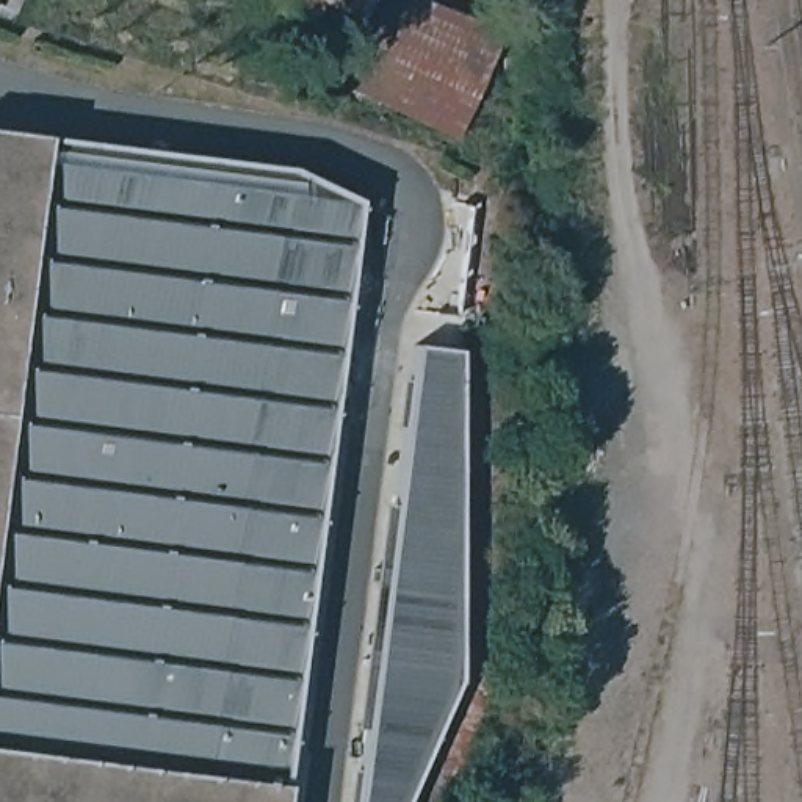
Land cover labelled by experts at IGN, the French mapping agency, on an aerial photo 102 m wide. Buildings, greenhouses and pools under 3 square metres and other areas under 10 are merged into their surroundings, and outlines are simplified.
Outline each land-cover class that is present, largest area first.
<instances>
[{"label":"building","instance_id":"1","mask_svg":"<svg viewBox=\"0 0 802 802\"><path fill-rule=\"evenodd\" d=\"M508 50L501 44H482V28L470 13L432 3L429 19L401 28L395 44H379L382 63L363 85H357L354 94L360 100L398 110L410 119L426 122L429 128H442L454 144L464 138L467 128L498 66V53ZM370 201L304 166L0 128V802H298L304 717L320 627L326 548L332 529V498L348 404V376L354 357V329L360 310ZM388 451H398V464L382 470L354 708L348 727L351 736L363 739V749L354 758V802H417L448 736V727L457 714V705L470 686V354L467 348L423 345L401 329L398 376L385 442Z\"/></svg>","mask_w":802,"mask_h":802},{"label":"pervious surface","instance_id":"2","mask_svg":"<svg viewBox=\"0 0 802 802\"><path fill-rule=\"evenodd\" d=\"M602 138L611 216L605 229L598 219L573 213L564 216L555 238L548 241L570 257V266L583 282V301L592 304L589 323L598 332L551 348L555 367L573 376L580 385V435L583 445L595 454L589 457V479L564 489L555 498L561 523L576 539V558L567 561V586L573 605L586 617L580 680L586 686L589 714L576 727V758H529V777L545 793V802H802V0H605Z\"/></svg>","mask_w":802,"mask_h":802},{"label":"deciduous trees","instance_id":"3","mask_svg":"<svg viewBox=\"0 0 802 802\"><path fill-rule=\"evenodd\" d=\"M191 19L210 28L219 41L207 47V56L213 60L238 66L235 88L241 91L276 97L285 103L301 100L304 107L332 113L341 122H354L435 150L442 154L448 169H464L470 179L476 172L489 175L479 194H486V201L501 197L504 210H498V229L492 235V276L498 288L495 298H486L492 329L482 335V348L492 401V432L486 445V461L492 470V539L486 617L489 655L482 664L476 702L486 705V714L473 733L461 774L448 780L445 793H432V802H545V793L529 777V758H576V727L589 714L586 686L580 680L586 617L573 605L567 586V561L576 558V539L561 523L555 498L564 489L589 479V457L595 454L583 445L580 435V385L573 376L555 367L551 348L598 332L589 323L592 304L583 301V282L570 266V257L548 241H529L523 235V210L520 201L511 194L517 188H529L548 213L564 216L573 213L580 204V185L586 182V163L576 157L570 163H561L558 144H564L567 138L558 132V119L583 100L586 88H576L570 75V28H583V13L573 9V3L567 0H470V13L482 28V44H501L508 50L504 78L495 81V91L486 103L495 122L489 128H467L464 138L454 144L442 128H429L426 122L410 119L398 110L360 100L354 94L357 85H363L382 63L379 44L357 28V22H345L351 50L345 60H335L326 50V38H310L301 31L304 9L313 0H185Z\"/></svg>","mask_w":802,"mask_h":802},{"label":"impervious surface","instance_id":"4","mask_svg":"<svg viewBox=\"0 0 802 802\"><path fill-rule=\"evenodd\" d=\"M432 3L470 13V0H338L332 6L341 13L345 22H357V28L379 44H395L401 28L429 19ZM0 128L304 166L370 201L360 310L354 329V357L348 376V404L332 498V529L326 548L320 627L304 717L298 802H354V758L363 749V739L351 736L348 727L354 708L382 470L398 464V451H388L385 442L398 376L401 329L423 345L467 348L470 354L482 348V335L467 320L464 304L470 251L476 241V210L473 204H461L451 191L439 194L429 172L407 150L313 119H294L282 113L216 110L201 103H175L160 94L141 97L110 88H88L0 60Z\"/></svg>","mask_w":802,"mask_h":802},{"label":"herbaceous vegetation","instance_id":"5","mask_svg":"<svg viewBox=\"0 0 802 802\"><path fill-rule=\"evenodd\" d=\"M22 9V0H0V60L88 88H110L141 97L160 94L175 103H201L216 110L282 113L294 119H313L407 150L429 172L439 194L451 191L461 204H473L476 210V241L470 251L464 304L467 320L482 335L492 329L486 298H495L498 288L492 276V235L498 229V210H504L501 197L486 201V194H479L489 175L476 172L470 179L464 169H448L442 154L435 150L354 122H341L332 113L304 107L301 100L285 103L276 97L241 91L235 88L238 66L213 60L201 63L197 75L191 78L144 60H119V50L75 44L56 34H38V28H25L13 19ZM338 0H313L304 9L301 31L310 38H326V50L335 60H345L351 50L345 22L341 13L332 6ZM573 3V9L583 13V28H570V75L576 88H586L583 100L558 119V132L567 138L564 144H558L561 163H570L576 157L586 163V182L580 185V204L573 213L598 219L605 229L611 216L602 138L605 0H567ZM508 50L498 53V66L467 128H489L495 122L486 103L495 91V81L504 78ZM520 201L523 210V235L529 241H548L555 238L564 216L548 213L529 188H517L511 194ZM482 348L470 354V686L457 705V714L448 727V736L417 802H432V793H445L448 780L461 774L473 733L486 714V705L476 702L482 664L489 655L486 617L492 539V470L486 461V445L492 432V401Z\"/></svg>","mask_w":802,"mask_h":802},{"label":"brushwood","instance_id":"6","mask_svg":"<svg viewBox=\"0 0 802 802\"><path fill-rule=\"evenodd\" d=\"M13 19L25 28H38V34H56L75 44L119 50V60H144L191 78L197 75L201 63L213 60L207 56V47L219 41L210 28L191 19L185 0H22V9Z\"/></svg>","mask_w":802,"mask_h":802}]
</instances>
